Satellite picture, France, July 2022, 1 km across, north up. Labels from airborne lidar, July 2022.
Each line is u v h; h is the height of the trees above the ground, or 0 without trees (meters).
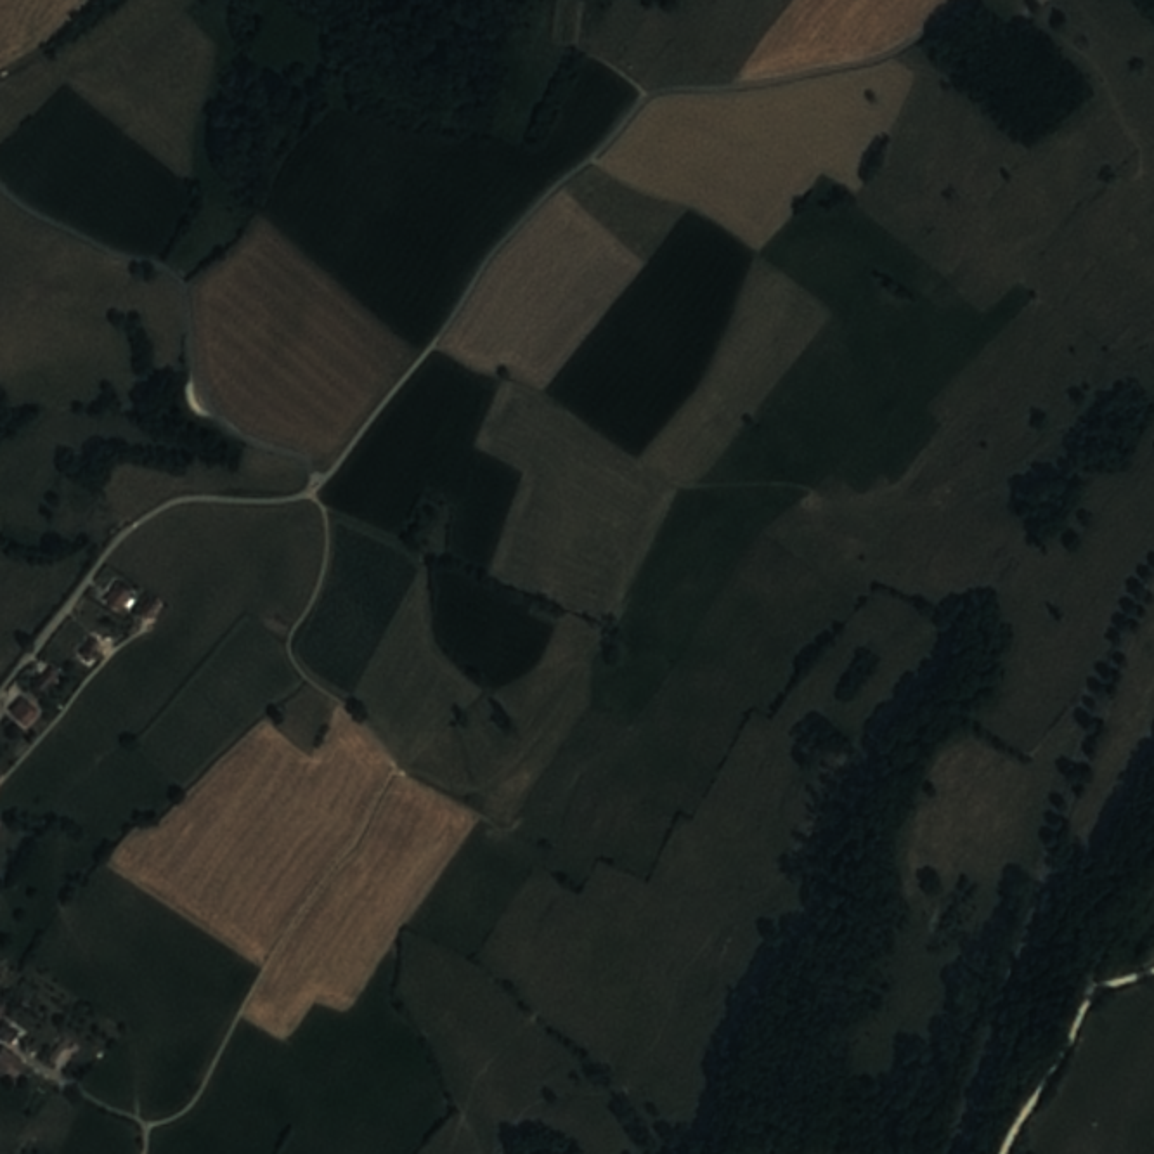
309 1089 0
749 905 0
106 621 6
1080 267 0
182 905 0
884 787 33
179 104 0
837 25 0
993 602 14
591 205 0
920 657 0
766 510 0
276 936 0
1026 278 0
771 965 24
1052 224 0
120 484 0
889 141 7
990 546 0
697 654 0
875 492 0
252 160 24
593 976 0
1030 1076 8
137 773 0
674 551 0
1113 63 0
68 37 15
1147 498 0
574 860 0
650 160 0
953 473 0
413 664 0
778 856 0
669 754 0
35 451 0
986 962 24
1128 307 0
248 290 0
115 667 0
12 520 0
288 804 0
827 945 29
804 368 0
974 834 0
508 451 0
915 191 0
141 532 0
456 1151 0
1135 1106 0
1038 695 0
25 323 0
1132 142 0
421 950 0
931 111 0
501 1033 0
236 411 0
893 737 30
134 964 0
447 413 0
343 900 0
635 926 0
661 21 0
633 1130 19
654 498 0
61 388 0
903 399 0
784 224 0
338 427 0
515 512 0
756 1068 23
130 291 0
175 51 0
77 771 0
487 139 14
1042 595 0
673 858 0
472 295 0
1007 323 0
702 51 0
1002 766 0
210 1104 0
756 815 0
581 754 0
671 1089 0
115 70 0
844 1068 20
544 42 0
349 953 0
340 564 0
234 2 11
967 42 17
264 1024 0
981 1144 17
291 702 0
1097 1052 0
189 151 0
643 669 0
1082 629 0
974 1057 6
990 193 0
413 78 30
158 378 13
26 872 11
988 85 16
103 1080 0
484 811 0
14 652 0
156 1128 0
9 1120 0
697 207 0
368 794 0
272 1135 0
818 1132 22
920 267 0
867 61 0
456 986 0
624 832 0
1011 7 0
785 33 0
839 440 0
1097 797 0
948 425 0
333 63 9
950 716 18
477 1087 0
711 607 0
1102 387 0
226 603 0
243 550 0
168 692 0
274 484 0
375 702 0
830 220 0
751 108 0
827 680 0
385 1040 0
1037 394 0
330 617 0
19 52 0
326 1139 0
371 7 13
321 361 0
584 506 0
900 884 21
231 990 0
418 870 0
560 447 0
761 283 0
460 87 32
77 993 0
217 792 0
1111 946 9
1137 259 0
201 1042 0
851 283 0
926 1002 0
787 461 0
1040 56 18
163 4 0
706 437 0
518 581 0
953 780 0
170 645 0
